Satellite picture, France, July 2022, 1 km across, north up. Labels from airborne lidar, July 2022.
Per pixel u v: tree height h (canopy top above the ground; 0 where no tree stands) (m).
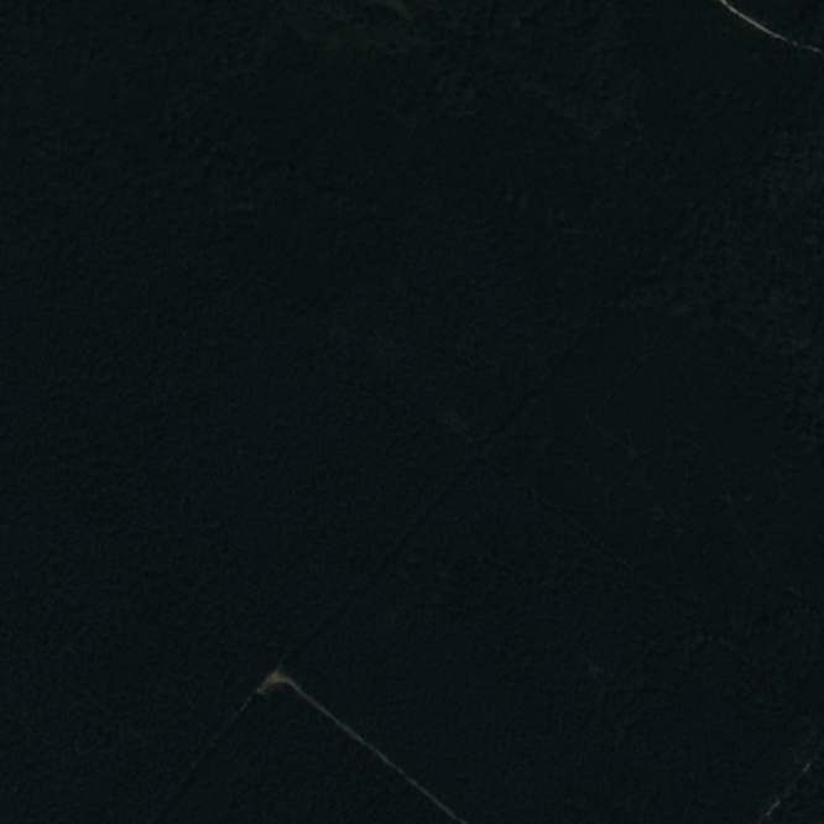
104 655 23
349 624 22
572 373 7
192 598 19
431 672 23
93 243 23
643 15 8
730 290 6
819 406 20
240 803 22
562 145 10
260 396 21
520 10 22
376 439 22
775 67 11
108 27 23
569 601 18
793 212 6
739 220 8
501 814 24
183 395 21
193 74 22
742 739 22
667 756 18
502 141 8
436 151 9
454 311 18
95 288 19
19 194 18
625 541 10
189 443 23
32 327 21
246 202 22
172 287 19
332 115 11
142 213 17
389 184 10
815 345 17
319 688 20
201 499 23
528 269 11
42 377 20
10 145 16
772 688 25
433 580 19
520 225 9
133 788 19
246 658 24
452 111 7
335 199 23
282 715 14
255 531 18
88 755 23
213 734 12
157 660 20
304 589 24
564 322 13
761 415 9
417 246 16
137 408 20
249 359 21
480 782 23
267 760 20
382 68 10
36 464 17
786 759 20
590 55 20
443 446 22
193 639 18
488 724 20
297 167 25
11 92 15
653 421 9
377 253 7
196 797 19
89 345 18
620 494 9
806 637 23
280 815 19
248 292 19
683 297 19
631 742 16
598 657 20
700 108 11
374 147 6
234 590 22
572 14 16
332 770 18
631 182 9
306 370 21
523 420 18
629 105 21
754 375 10
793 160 19
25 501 19
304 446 20
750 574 8
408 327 16
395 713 25
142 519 22
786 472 8
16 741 20
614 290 11
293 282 7
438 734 27
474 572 18
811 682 12
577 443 6
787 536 7
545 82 15
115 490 13
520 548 15
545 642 23
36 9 20
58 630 17
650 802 23
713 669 25
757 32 9
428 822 19
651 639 21
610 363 7
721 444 7
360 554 19
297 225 6
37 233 19
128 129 23
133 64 20
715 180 11
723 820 23
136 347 17
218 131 7
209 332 23
